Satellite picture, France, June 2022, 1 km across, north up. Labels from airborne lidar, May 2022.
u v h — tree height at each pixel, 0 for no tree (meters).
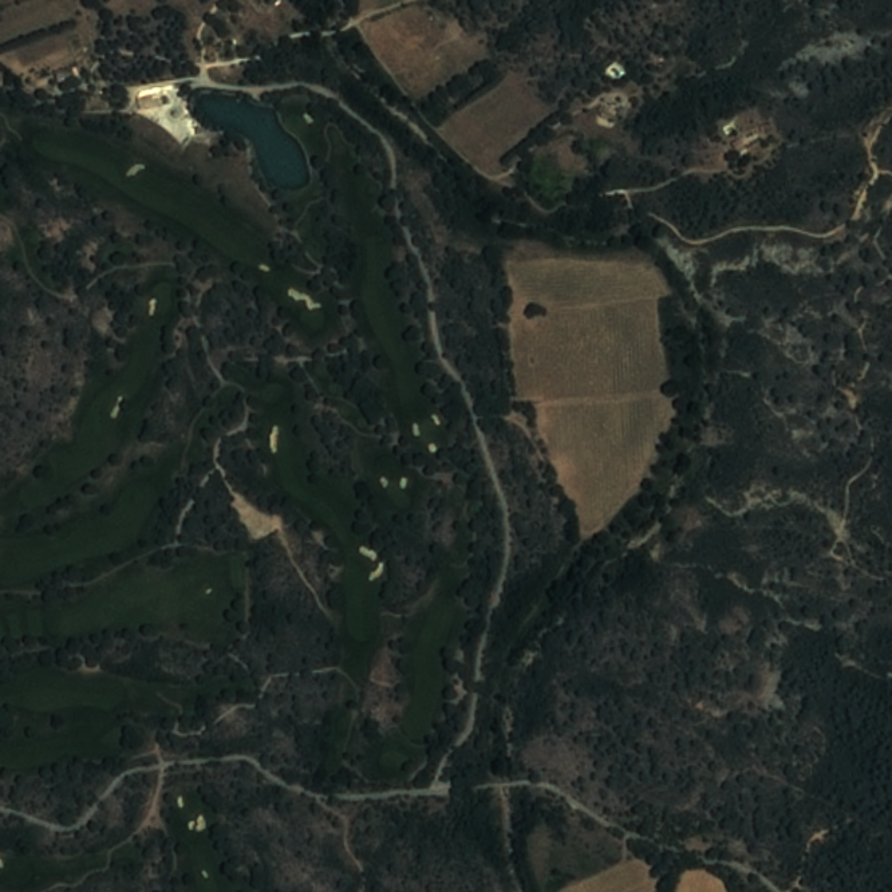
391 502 0
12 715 10
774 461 0
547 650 11
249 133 0
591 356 0
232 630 0
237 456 12
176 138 0
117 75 11
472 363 10
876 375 0
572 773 0
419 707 0
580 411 0
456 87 14
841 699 6
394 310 0
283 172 0
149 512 0
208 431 11
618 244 11
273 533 0
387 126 9
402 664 12
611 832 8
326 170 11
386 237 0
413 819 9
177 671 0
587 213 8
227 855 9
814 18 11
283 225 7
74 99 12
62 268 9
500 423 6
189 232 0
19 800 11
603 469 0
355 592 0
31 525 10
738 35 7
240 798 9
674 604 0
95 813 0
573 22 10
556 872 10
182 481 9
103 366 0
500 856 10
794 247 0
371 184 0
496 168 0
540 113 0
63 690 0
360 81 6
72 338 12
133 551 0
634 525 8
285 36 9
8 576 0
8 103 14
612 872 0
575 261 0
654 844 10
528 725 9
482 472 13
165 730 10
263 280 0
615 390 0
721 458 7
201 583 0
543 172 0
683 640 9
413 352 0
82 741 0
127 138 7
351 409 0
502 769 26
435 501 10
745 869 0
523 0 0
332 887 0
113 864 6
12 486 0
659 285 0
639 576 10
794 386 0
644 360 0
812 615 14
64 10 0
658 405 0
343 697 0
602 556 14
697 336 6
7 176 13
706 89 11
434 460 11
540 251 0
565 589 23
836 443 9
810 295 0
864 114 7
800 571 11
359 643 0
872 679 7
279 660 12
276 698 10
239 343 9
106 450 0
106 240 0
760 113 0
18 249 0
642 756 10
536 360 0
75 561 0
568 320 0
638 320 0
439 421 0
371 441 0
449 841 6
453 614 0
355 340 12
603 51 9
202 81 0
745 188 16
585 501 0
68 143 0
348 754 8
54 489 0
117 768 9
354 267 12
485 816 16
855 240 11
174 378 11
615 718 11
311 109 10
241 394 8
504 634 10
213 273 11
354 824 6
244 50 13
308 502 0
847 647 11
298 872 0
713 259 0
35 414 9
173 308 0
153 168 0
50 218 0
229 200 10
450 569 0
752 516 11
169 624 0
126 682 0
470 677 12
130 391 0
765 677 0
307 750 11
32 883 0
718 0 12
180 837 0
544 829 0
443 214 6
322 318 0
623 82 9
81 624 0
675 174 9
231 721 0
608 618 11
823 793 13
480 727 7
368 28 0
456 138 0
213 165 0
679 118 6
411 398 0
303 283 0
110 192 0
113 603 0
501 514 13
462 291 6
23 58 0
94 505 0
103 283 8
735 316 14
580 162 0
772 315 11
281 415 0
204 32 0
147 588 0
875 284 12
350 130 8
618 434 0
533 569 7
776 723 11
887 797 7
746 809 10
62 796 10
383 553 9
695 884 0
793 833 13
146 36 9
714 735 13
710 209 14
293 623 13
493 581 8
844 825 15
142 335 0
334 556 10
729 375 6
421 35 0
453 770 9
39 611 0
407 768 10
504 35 11
